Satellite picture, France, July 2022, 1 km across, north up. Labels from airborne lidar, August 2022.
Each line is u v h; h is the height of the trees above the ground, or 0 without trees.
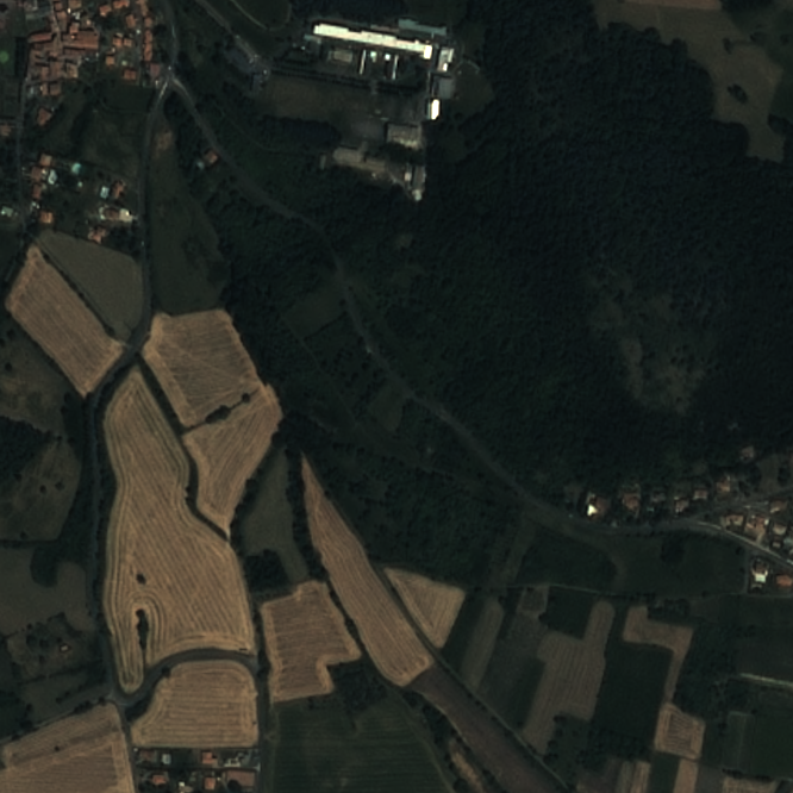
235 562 0
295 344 8
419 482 7
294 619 0
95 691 0
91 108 7
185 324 0
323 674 0
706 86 15
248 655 0
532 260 16
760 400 8
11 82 0
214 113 9
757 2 7
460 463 7
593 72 11
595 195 10
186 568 0
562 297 14
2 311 7
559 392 10
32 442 12
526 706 0
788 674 0
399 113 0
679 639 0
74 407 0
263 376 20
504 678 0
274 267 17
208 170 8
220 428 0
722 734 8
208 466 0
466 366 7
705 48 0
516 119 11
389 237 11
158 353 0
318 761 0
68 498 0
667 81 14
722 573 0
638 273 9
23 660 0
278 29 0
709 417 10
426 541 10
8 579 0
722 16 0
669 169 16
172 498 0
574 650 0
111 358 0
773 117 12
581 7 10
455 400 9
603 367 9
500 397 7
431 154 18
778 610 0
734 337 6
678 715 0
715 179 14
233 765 0
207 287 0
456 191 13
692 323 6
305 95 0
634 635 0
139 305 0
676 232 6
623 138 10
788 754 0
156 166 0
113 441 0
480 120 10
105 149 0
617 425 11
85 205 0
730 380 8
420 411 7
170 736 0
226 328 0
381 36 0
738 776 8
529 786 0
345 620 8
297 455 13
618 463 10
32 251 0
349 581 0
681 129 22
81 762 0
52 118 6
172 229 0
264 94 0
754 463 8
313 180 8
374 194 17
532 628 0
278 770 0
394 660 0
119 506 0
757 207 9
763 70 0
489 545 8
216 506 0
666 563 10
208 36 0
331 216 15
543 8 11
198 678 0
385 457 9
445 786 0
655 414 10
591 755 6
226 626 0
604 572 11
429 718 10
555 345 9
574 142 9
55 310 0
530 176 11
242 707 0
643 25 0
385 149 10
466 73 0
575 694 0
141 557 0
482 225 14
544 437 9
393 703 0
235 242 8
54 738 0
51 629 0
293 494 11
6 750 0
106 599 0
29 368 0
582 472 6
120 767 0
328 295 0
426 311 14
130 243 7
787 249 13
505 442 9
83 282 0
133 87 0
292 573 0
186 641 0
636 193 10
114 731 0
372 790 0
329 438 8
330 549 0
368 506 10
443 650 0
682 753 0
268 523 0
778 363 8
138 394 0
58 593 0
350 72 0
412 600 0
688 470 7
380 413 0
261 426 0
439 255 9
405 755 0
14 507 0
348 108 0
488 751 0
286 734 0
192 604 0
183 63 15
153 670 0
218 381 0
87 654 0
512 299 6
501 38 9
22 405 0
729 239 10
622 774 0
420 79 10
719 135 19
